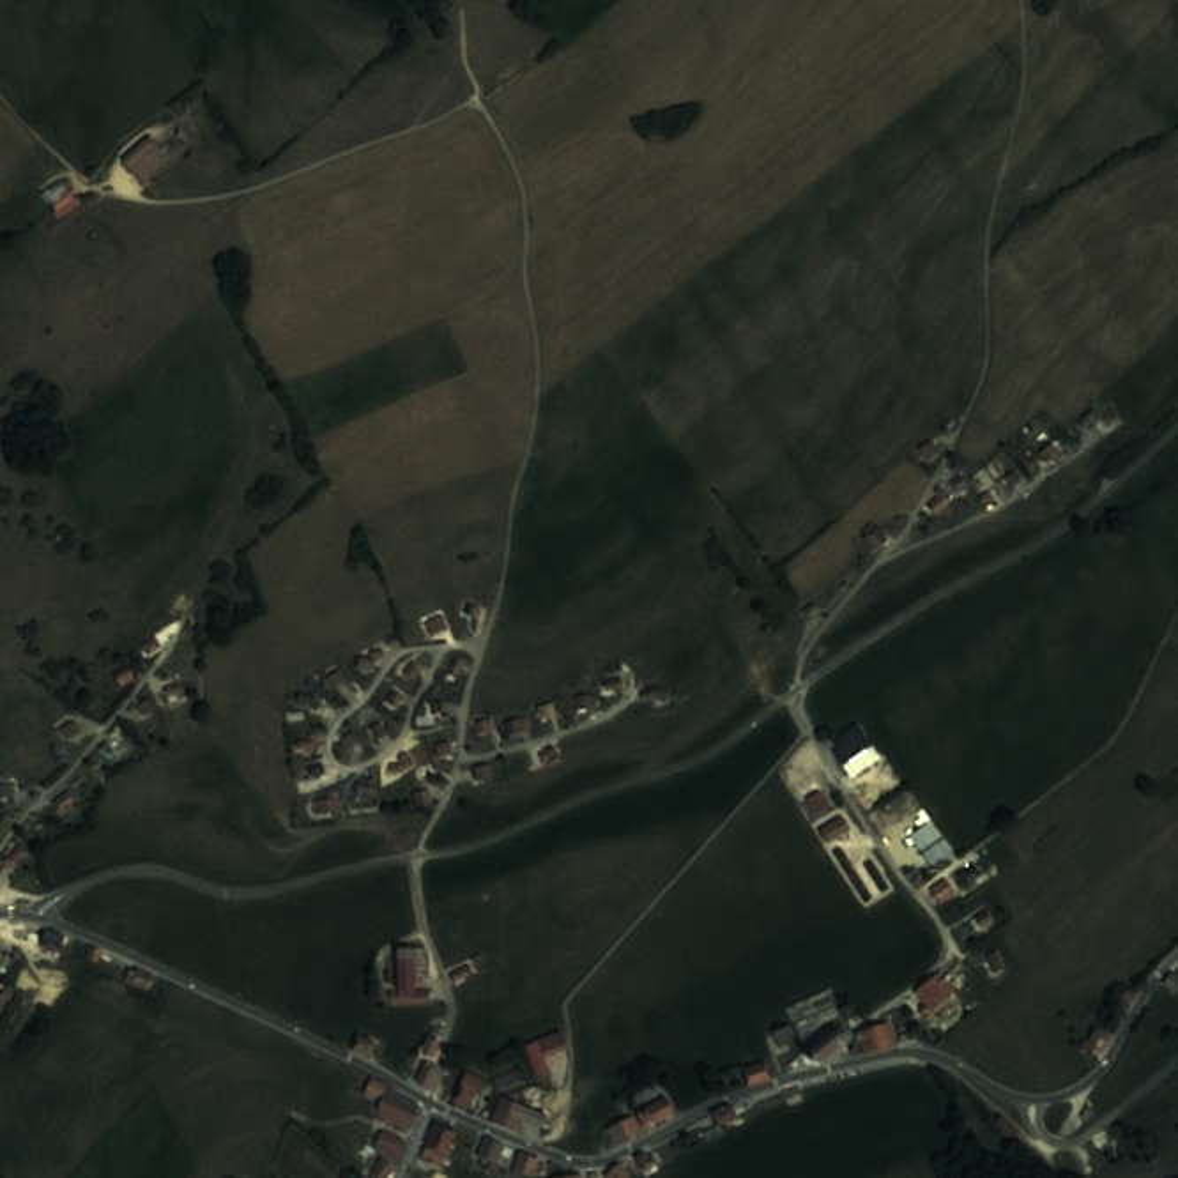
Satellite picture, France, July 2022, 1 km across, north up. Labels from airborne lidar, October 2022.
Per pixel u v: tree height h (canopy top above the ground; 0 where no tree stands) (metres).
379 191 0
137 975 0
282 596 0
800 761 0
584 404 0
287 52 0
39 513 0
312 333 0
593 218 0
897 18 0
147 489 0
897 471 0
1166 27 0
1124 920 0
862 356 0
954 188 0
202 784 0
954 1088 10
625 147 0
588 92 0
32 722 0
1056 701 0
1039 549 0
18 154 0
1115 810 0
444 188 0
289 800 0
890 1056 0
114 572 0
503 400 0
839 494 0
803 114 0
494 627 0
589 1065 0
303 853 0
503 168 0
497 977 0
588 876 0
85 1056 0
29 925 0
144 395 0
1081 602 0
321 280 0
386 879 0
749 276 0
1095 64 0
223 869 0
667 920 0
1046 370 0
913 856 0
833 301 0
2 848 0
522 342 0
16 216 0
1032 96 0
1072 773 0
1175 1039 15
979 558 0
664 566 0
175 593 0
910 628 0
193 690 7
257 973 0
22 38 0
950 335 0
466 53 0
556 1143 0
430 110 0
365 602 0
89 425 0
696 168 0
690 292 0
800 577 0
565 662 0
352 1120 0
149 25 0
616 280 0
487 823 0
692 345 0
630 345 0
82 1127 0
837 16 0
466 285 0
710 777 0
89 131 0
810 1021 0
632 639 0
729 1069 7
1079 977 0
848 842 0
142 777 0
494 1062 10
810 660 0
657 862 0
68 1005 0
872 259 0
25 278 0
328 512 0
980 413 0
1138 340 0
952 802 0
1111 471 9
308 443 6
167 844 0
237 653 0
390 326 0
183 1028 0
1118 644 0
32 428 27
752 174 0
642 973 0
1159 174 0
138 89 0
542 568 0
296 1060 0
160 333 0
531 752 0
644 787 0
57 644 0
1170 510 0
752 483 0
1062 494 0
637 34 0
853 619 0
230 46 0
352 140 0
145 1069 0
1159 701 0
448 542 0
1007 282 0
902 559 0
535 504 0
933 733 0
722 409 0
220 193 0
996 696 0
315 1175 0
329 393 0
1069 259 0
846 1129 0
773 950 0
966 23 0
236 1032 0
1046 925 0
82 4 0
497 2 0
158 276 0
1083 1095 0
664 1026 0
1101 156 0
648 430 0
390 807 10
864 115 0
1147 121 0
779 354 0
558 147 0
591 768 0
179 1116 0
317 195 0
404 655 0
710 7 0
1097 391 0
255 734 0
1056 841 0
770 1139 0
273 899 0
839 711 0
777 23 0
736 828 0
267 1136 0
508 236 0
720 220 0
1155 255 0
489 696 0
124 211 0
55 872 0
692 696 0
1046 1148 0
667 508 0
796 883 0
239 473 0
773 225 0
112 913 0
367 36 0
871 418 0
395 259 0
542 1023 0
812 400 0
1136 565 0
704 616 0
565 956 0
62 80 0
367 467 0
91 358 0
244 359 0
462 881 0
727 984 0
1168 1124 0
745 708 0
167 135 0
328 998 0
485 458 0
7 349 0
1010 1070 0
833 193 0
